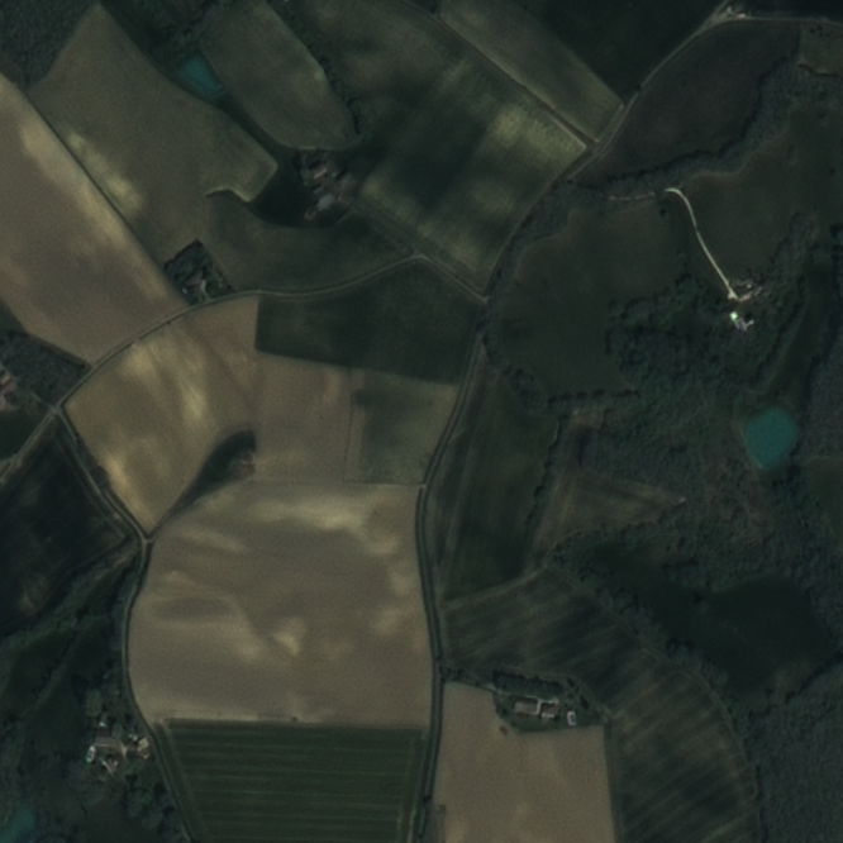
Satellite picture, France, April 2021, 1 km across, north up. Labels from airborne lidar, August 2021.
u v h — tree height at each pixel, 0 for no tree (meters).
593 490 0
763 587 0
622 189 14
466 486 0
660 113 0
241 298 0
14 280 0
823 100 19
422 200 0
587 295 0
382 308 0
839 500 0
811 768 23
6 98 0
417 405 0
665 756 0
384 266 0
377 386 0
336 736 0
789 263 19
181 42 18
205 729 0
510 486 0
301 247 0
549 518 0
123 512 0
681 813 0
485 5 0
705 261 0
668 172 15
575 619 0
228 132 0
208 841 0
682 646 16
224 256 0
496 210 0
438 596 0
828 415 14
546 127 0
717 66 0
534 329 0
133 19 0
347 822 0
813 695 19
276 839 0
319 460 0
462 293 0
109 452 0
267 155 0
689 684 0
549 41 0
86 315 0
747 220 0
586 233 0
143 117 0
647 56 0
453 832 0
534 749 0
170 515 0
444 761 0
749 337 13
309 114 0
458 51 0
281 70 0
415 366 0
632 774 0
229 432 0
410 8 0
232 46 0
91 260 0
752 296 10
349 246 0
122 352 0
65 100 0
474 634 0
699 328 0
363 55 0
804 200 0
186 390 0
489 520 0
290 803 0
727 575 16
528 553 0
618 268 0
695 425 12
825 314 0
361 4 0
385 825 0
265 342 0
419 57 0
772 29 0
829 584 26
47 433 0
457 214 0
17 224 0
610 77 0
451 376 0
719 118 0
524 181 0
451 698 0
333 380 0
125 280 0
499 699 8
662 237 0
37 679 0
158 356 0
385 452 0
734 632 0
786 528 13
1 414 0
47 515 0
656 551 0
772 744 24
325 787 0
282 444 0
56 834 19
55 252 0
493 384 0
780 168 0
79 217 0
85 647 0
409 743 0
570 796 0
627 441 11
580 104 0
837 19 0
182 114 0
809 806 24
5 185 0
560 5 0
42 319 0
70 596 13
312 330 0
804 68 9
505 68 0
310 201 0
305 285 0
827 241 0
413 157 0
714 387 27
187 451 0
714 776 0
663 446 13
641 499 0
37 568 0
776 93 20
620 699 0
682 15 0
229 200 0
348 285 0
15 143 0
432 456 0
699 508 16
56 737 0
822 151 0
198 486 0
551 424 0
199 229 0
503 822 0
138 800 18
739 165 16
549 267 0
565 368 0
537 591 0
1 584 0
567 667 0
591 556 13
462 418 0
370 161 0
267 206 0
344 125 0
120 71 0
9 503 0
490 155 0
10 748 25
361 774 0
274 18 0
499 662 0
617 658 0
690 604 0
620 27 0
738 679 0
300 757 0
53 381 17
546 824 0
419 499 0
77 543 0
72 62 0
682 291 10
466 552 0
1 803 24
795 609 0
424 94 0
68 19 17
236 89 0
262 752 0
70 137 0
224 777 0
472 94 0
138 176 0
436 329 0
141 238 0
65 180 0
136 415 0
